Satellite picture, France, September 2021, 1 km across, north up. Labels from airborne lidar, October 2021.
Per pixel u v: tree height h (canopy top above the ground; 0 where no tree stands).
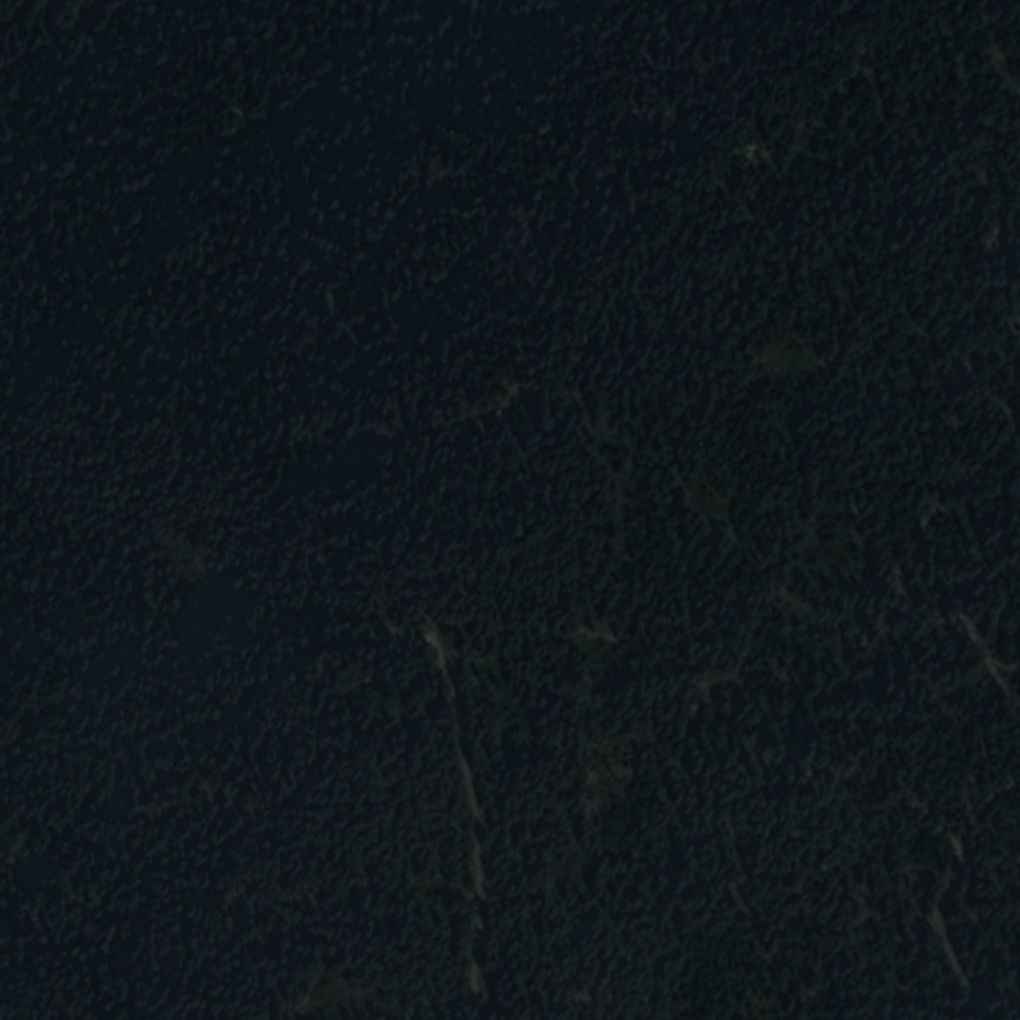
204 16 20
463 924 22
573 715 26
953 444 8
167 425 13
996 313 23
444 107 26
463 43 23
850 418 12
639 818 18
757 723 13
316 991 0
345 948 28
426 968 29
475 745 30
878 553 29
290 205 7
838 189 27
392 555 28
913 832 21
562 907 26
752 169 10
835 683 12
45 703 26
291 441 8
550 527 28
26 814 24
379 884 25
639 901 26
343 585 23
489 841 30
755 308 11
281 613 11
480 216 12
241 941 23
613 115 11
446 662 0
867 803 7
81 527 33
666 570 19
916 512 25
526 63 28
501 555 25
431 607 26
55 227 23
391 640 25
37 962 32
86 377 20
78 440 32
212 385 18
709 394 29
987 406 27
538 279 22
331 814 18
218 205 8
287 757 14
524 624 27
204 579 0
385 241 8
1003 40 17
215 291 26
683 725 10
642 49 29
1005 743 11
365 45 21
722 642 7
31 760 34
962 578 31
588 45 29
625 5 20
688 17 10
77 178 13
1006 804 10
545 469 30
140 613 12
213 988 25
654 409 9
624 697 29
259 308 9
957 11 23
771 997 32
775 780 30
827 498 25
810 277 7
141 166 23
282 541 24
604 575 27
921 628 30
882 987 29
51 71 19
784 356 0
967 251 12
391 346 30
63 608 12
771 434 23
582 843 33
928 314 26
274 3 20
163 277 13
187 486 25
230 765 26
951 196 29
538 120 23
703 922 30
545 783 24
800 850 23
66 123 19
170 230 11
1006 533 31
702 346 8
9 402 16
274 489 29
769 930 31
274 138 6
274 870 21
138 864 26
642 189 8
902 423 28
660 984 24
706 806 30
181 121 19
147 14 36
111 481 33
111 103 21
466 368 7
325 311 12
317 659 9
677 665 7
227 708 9
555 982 28
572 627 23
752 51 30
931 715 14
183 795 26
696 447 24
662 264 25
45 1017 31
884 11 26
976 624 32
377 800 21
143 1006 26
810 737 7
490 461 27
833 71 19
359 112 26
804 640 9
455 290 19
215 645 30
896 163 33
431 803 25
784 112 31
